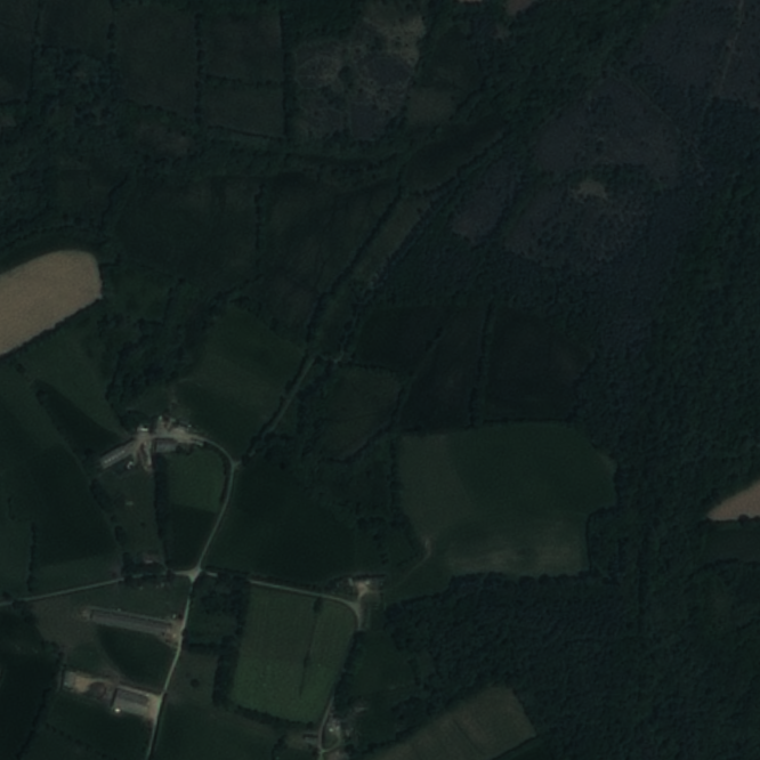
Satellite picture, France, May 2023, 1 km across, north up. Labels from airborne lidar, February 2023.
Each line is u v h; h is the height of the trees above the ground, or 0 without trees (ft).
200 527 0
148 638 0
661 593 37
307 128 0
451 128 0
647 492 42
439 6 53
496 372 0
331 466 42
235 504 0
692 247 51
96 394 0
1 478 0
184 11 54
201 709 0
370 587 0
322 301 42
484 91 45
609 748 49
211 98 0
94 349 0
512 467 0
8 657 0
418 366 0
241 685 0
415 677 22
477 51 41
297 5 56
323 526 0
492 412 0
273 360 0
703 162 28
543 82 35
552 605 85
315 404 43
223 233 0
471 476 0
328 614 0
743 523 53
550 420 23
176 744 0
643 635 75
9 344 0
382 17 0
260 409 0
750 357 39
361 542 0
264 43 0
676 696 52
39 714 27
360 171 27
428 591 0
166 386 40
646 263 54
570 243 42
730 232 28
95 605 0
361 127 0
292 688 0
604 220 24
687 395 65
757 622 26
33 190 24
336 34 24
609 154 0
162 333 52
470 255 40
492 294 43
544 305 56
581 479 0
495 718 0
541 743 21
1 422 0
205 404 0
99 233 36
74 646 0
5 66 0
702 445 50
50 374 0
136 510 0
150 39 0
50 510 0
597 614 75
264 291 0
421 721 31
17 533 0
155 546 0
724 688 27
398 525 46
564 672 46
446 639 54
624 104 0
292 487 0
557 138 0
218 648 40
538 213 0
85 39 0
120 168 20
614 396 42
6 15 0
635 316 55
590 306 64
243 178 0
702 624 31
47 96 22
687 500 36
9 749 0
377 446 48
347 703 28
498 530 0
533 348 0
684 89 21
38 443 0
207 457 0
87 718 0
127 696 0
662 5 22
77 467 0
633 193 22
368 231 0
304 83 0
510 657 56
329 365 46
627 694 37
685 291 26
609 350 47
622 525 73
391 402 0
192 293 48
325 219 0
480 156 23
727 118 66
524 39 36
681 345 32
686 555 31
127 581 35
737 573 49
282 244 0
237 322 0
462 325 0
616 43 36
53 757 0
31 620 36
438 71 0
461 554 0
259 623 0
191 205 0
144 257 0
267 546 0
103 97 30
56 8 0
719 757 45
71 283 0
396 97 0
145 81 0
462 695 35
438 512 0
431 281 50
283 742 37
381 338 0
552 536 0
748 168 52
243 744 0
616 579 75
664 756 27
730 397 42
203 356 0
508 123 33
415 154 0
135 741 0
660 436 51
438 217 40
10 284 0
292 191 0
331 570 0
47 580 0
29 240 21
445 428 0
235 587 52
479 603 73
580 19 26
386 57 0
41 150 28
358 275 0
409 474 0
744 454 32
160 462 56
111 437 0
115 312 0
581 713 43
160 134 0
